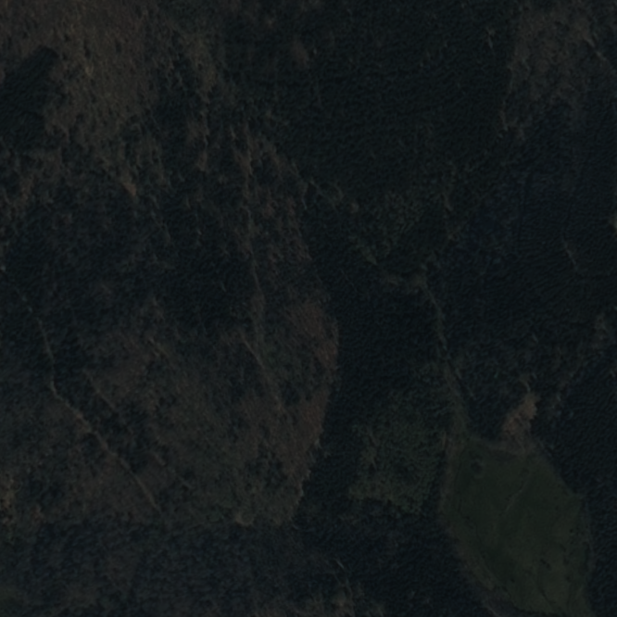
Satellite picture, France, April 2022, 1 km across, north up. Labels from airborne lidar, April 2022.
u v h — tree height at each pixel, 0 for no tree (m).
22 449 23
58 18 11
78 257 18
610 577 25
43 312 22
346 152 32
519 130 15
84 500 20
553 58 24
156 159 19
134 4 22
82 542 19
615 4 19
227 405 24
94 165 16
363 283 26
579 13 25
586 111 27
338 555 30
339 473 29
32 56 14
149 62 23
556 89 22
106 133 15
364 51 26
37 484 32
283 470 25
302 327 24
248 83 26
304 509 15
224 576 22
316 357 24
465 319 17
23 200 24
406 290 21
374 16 23
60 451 32
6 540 32
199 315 17
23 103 14
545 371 19
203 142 22
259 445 23
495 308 20
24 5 16
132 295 21
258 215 26
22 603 7
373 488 29
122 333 26
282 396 24
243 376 25
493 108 31
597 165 21
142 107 19
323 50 29
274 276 27
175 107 29
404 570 22
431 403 34
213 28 23
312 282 21
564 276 17
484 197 20
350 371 32
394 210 33
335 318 23
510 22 26
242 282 25
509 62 26
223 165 22
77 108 14
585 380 19
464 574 29
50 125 13
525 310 20
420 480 31
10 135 18
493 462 0
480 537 0
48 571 31
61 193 20
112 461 7
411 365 21
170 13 25
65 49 10
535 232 23
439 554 23
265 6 21
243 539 20
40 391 22
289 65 24
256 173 23
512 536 0
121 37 19
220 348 21
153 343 24
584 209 20
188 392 24
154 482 12
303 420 22
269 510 28
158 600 25
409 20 31
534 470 0
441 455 25
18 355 26
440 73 32
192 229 30
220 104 28
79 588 32
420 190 29
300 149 23
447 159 27
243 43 29
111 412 22
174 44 22
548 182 25
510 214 20
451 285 17
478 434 25
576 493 13
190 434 24
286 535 28
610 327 29
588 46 21
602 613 32
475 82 33
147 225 25
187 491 14
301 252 19
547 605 0
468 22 37
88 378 27
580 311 18
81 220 22
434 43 25
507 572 0
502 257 22
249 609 19
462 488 0
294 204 24
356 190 32
